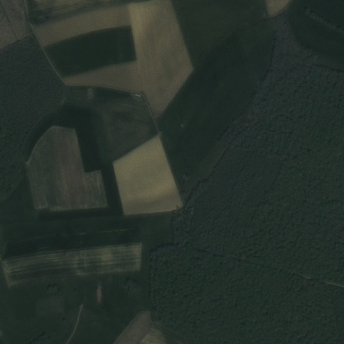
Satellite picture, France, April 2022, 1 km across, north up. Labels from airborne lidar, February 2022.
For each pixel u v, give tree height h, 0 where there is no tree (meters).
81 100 0
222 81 0
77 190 0
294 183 25
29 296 0
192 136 0
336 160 20
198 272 25
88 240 0
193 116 0
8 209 0
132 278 0
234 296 22
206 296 29
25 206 0
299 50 18
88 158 0
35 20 0
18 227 0
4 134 23
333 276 24
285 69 14
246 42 0
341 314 8
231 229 18
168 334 0
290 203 26
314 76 22
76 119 0
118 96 0
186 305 25
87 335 0
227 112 0
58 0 0
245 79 0
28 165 0
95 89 0
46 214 0
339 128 26
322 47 0
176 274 22
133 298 0
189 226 20
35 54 7
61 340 0
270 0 0
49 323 0
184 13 0
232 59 0
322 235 29
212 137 0
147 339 0
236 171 16
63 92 11
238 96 0
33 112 8
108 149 0
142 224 0
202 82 0
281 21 6
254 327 27
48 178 0
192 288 24
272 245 23
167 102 0
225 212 19
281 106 25
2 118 17
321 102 21
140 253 0
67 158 0
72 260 0
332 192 22
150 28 0
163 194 0
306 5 0
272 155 23
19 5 0
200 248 11
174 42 0
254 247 23
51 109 9
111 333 0
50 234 0
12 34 0
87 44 0
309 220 25
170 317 24
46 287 0
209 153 0
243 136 21
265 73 0
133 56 0
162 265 26
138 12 0
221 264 22
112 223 0
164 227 0
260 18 0
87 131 0
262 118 28
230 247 18
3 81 11
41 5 0
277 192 18
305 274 24
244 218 16
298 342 24
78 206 0
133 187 0
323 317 25
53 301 0
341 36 0
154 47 0
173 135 0
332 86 22
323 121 23
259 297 23
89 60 0
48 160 0
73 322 0
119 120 0
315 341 27
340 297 7
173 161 0
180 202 0
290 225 24
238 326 24
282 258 20
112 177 0
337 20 0
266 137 22
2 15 0
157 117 0
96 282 0
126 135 0
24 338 0
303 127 28
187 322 25
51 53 0
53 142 0
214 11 0
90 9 0
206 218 18
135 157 0
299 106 26
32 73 8
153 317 0
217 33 0
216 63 0
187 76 0
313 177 20
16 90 8
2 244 0
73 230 0
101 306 0
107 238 0
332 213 22
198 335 27
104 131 0
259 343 23
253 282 25
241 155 15
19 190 0
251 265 23
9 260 0
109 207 0
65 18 0
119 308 0
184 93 0
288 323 15
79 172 0
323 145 28
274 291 22
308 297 22
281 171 16
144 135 0
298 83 23
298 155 27
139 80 0
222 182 14
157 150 0
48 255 0
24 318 0
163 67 0
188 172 0
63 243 0
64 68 0
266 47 0
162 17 0
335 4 0
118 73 0
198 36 0
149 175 0
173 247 19
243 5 0
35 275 0
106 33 0
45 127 0
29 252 0
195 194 21
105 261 0
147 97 0
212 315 27
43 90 10
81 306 0
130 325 0
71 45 0
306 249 25
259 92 22
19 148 5
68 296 0
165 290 26
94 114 0
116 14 0
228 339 24
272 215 21
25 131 9
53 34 0
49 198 0
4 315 0
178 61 0
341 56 0
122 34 0
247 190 22
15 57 7
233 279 26
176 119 0
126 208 0
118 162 0
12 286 0
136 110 0
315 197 25
